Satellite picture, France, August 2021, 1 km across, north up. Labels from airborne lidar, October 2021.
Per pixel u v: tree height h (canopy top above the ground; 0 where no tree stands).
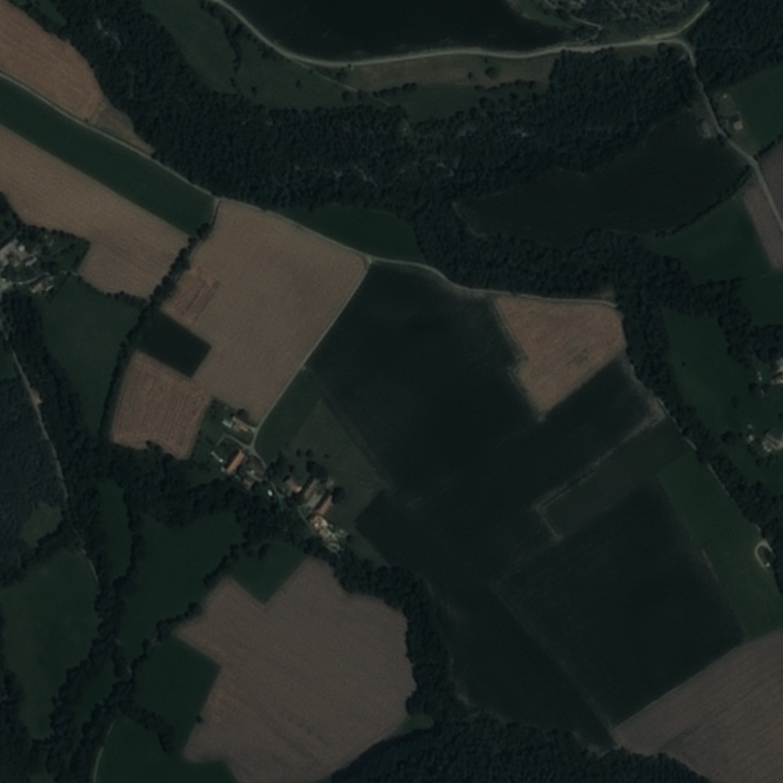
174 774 0
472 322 0
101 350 0
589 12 9
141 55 7
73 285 0
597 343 0
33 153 0
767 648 0
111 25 11
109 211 0
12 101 0
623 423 0
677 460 0
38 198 0
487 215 0
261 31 0
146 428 0
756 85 0
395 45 0
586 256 21
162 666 0
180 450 0
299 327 0
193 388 0
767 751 0
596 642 0
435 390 0
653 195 0
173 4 0
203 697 0
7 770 13
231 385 0
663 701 0
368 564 16
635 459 0
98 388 0
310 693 0
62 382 25
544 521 0
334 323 0
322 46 0
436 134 9
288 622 0
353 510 0
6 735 23
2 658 17
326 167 8
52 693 0
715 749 0
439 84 0
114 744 0
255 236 0
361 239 0
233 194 17
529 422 0
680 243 0
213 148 14
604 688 0
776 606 0
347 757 0
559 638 0
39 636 0
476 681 0
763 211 0
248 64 0
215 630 0
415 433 0
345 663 0
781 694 0
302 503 17
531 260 21
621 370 0
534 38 0
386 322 0
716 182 0
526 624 0
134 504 22
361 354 0
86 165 0
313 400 0
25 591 0
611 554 0
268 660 0
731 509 0
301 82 12
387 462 0
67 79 0
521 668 0
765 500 18
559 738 22
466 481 0
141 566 13
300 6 0
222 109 16
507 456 0
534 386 0
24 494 9
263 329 0
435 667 17
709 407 0
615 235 14
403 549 0
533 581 0
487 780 24
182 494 9
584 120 13
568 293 12
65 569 0
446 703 8
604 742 0
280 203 18
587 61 14
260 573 0
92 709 0
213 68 0
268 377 0
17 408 11
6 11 0
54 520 0
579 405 0
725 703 0
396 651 0
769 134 0
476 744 27
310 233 0
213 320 0
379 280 0
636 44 0
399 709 0
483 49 0
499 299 0
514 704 0
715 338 0
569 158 18
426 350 0
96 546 20
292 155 10
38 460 8
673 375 18
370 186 22
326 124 18
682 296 24
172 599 0
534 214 0
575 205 0
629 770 13
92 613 0
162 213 0
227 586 0
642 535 0
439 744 29
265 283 0
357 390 0
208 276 0
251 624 0
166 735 17
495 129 10
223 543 0
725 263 0
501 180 24
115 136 0
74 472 17
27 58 0
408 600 13
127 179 0
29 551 13
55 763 27
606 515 0
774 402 0
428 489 0
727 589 0
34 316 13
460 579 0
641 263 19
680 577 0
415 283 0
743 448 0
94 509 14
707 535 0
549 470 0
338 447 0
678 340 0
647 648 0
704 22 19
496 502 0
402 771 32
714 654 0
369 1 0
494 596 0
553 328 0
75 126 0
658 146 0
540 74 0
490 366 0
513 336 0
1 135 0
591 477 0
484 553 0
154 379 0
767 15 10
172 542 0
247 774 0
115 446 10
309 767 0
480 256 16
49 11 0
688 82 12
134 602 0
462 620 0
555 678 0
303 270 0
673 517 0
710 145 0
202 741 0
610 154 25
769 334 25
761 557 0
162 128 22
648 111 19
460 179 11
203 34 0
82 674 20
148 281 0
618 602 0
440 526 0
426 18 0
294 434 0
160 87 13
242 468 10
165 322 0
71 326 0
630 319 11
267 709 0
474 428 0
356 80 0
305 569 0
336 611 0
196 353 0
